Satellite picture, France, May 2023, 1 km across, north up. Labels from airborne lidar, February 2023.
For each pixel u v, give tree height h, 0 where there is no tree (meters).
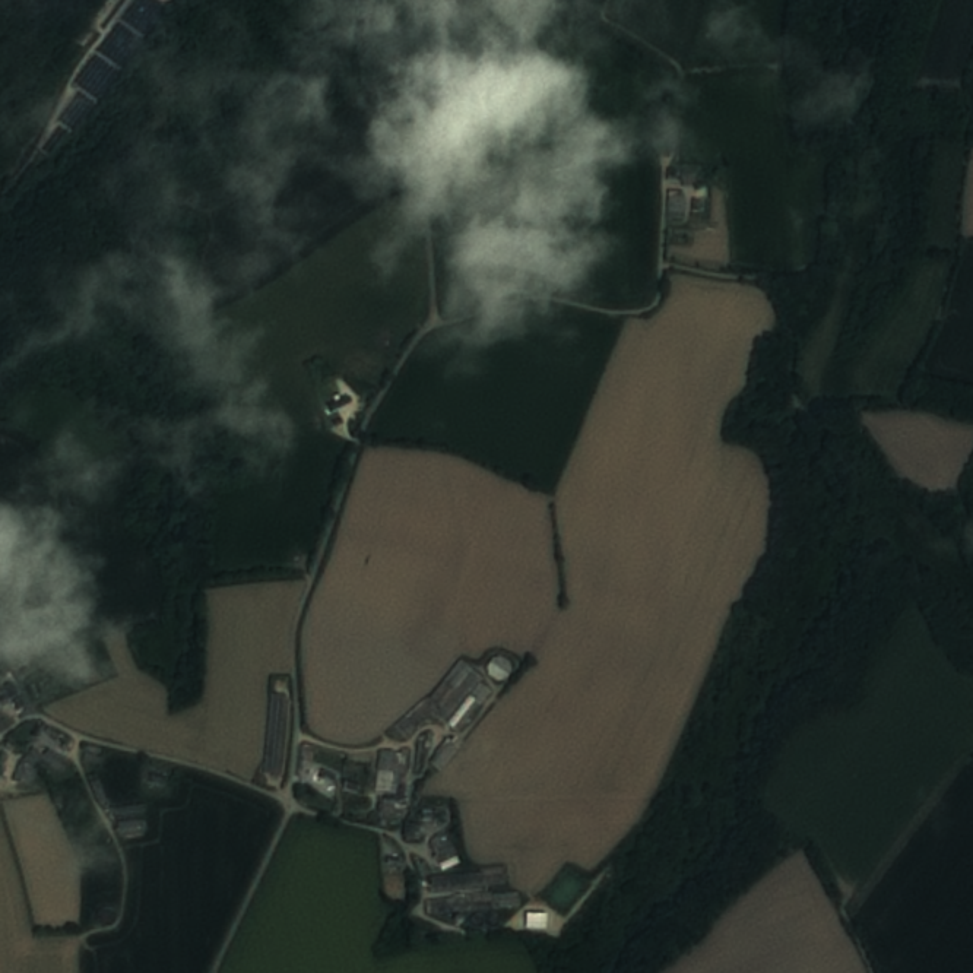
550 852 0
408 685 0
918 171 12
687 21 0
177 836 0
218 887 0
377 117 0
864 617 20
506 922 0
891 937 0
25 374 12
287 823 0
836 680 19
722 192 0
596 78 0
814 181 0
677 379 0
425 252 0
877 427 0
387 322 0
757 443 19
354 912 0
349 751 0
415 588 0
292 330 0
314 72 19
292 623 0
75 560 0
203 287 0
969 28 0
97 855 0
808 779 0
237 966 0
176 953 0
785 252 0
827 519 7
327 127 0
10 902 0
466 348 0
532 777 0
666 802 11
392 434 0
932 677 0
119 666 0
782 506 21
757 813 16
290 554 0
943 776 0
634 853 11
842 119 7
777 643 7
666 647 0
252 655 0
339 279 0
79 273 13
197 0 16
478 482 0
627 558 0
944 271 0
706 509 0
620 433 0
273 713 0
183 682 11
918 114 11
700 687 0
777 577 25
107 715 0
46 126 0
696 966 0
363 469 0
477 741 0
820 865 8
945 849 0
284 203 0
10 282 16
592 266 0
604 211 0
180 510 26
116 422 16
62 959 0
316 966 0
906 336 0
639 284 0
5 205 12
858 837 0
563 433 0
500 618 0
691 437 0
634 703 0
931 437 0
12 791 0
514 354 0
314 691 0
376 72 10
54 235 20
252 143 16
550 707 0
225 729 0
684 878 6
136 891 0
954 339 0
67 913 0
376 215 0
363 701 0
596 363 0
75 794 0
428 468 0
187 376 18
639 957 19
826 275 18
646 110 0
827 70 24
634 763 0
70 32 22
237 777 0
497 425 0
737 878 15
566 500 0
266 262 0
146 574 0
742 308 0
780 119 0
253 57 9
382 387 10
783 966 0
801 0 16
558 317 0
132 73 14
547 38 0
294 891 0
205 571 16
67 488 0
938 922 0
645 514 0
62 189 19
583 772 0
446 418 0
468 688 0
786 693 17
